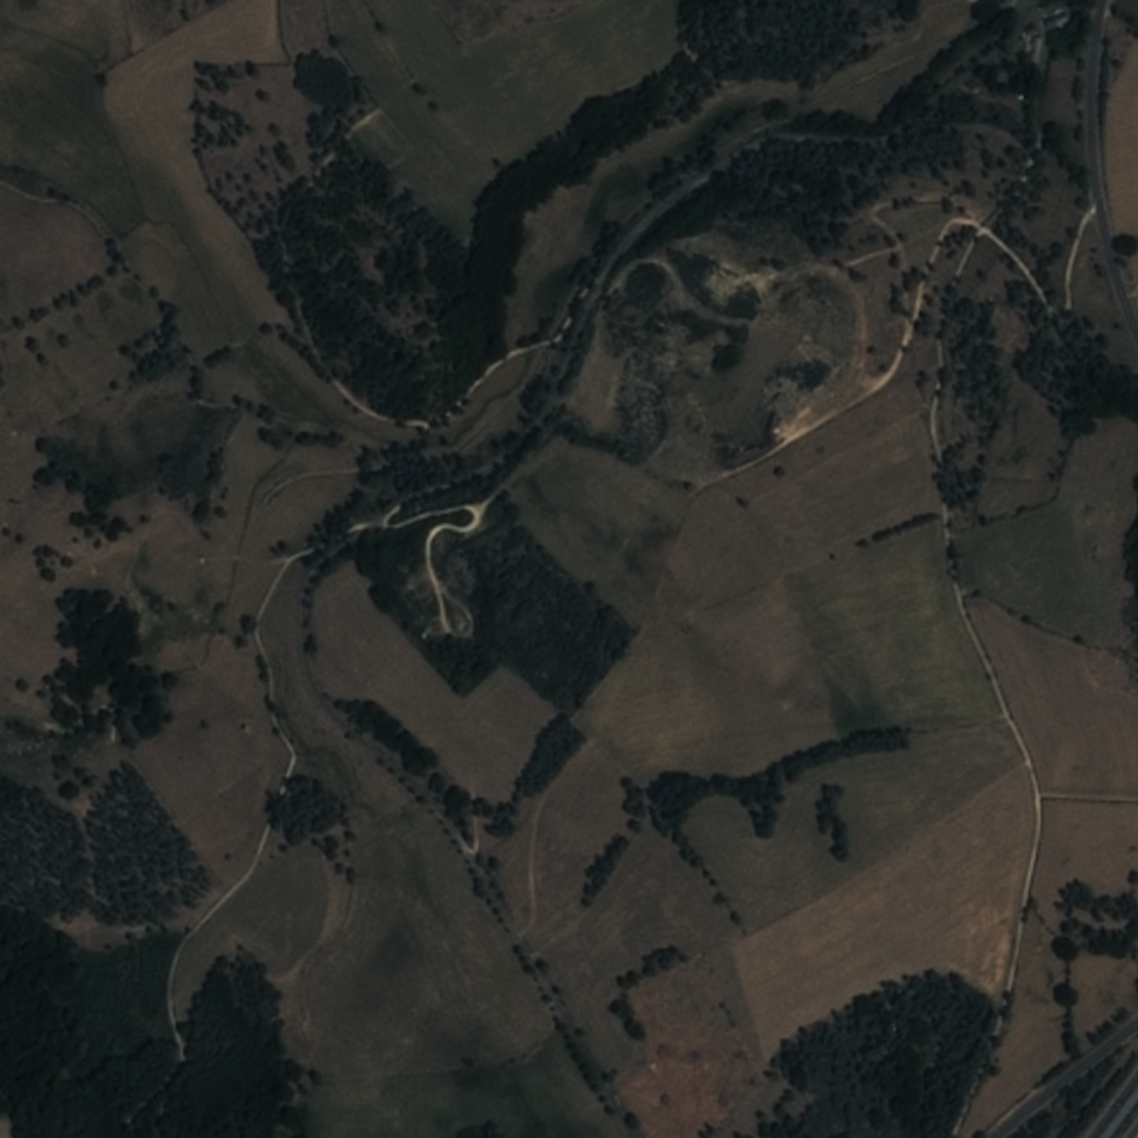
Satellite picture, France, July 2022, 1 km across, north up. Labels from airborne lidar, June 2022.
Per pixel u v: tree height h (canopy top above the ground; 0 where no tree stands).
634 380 0
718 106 0
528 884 0
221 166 0
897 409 0
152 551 0
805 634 0
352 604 0
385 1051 0
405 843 0
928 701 0
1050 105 0
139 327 0
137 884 17
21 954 20
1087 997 0
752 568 0
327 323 9
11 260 0
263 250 14
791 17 20
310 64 11
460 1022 0
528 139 0
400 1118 0
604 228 6
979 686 0
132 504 0
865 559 0
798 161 22
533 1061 0
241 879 0
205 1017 16
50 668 0
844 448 0
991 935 0
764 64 24
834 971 0
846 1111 9
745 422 0
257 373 0
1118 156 0
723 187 18
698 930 0
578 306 12
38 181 0
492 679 0
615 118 18
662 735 0
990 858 0
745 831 0
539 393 20
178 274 0
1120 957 7
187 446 0
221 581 0
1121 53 0
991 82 12
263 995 8
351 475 0
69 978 22
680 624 0
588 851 0
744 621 0
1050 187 6
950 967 0
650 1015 0
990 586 0
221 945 0
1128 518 0
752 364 0
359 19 0
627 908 0
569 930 0
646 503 0
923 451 0
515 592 5
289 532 0
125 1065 14
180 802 0
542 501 0
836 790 12
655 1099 0
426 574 0
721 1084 0
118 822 16
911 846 0
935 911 0
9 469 0
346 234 6
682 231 6
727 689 0
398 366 14
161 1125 16
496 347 26
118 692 18
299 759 0
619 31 0
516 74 0
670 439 0
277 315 0
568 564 0
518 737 0
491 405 0
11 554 0
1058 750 0
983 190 0
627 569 0
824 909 0
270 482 0
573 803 0
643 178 0
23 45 0
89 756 0
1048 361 22
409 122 0
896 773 0
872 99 0
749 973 0
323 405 0
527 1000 0
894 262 13
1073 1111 14
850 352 0
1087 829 0
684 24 10
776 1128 12
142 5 0
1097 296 0
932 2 0
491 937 0
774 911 0
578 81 0
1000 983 0
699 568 0
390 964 0
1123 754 0
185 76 0
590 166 10
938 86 7
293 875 0
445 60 0
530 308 0
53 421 0
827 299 0
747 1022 0
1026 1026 0
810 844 0
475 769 0
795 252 0
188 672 0
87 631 9
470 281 17
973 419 9
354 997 0
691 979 0
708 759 0
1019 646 0
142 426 0
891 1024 14
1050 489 0
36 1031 13
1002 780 0
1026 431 0
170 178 0
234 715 0
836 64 6
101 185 0
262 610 0
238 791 0
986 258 0
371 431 0
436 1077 0
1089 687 0
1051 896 0
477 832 0
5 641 0
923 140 17
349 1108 0
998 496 0
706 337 0
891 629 0
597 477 0
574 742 15
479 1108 0
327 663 0
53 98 0
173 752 0
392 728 10
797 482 0
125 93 0
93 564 0
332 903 0
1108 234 0
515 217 20
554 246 0
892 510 0
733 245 0
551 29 0
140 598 0
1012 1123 0
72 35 0
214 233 0
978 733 0
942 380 12
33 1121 18
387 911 0
